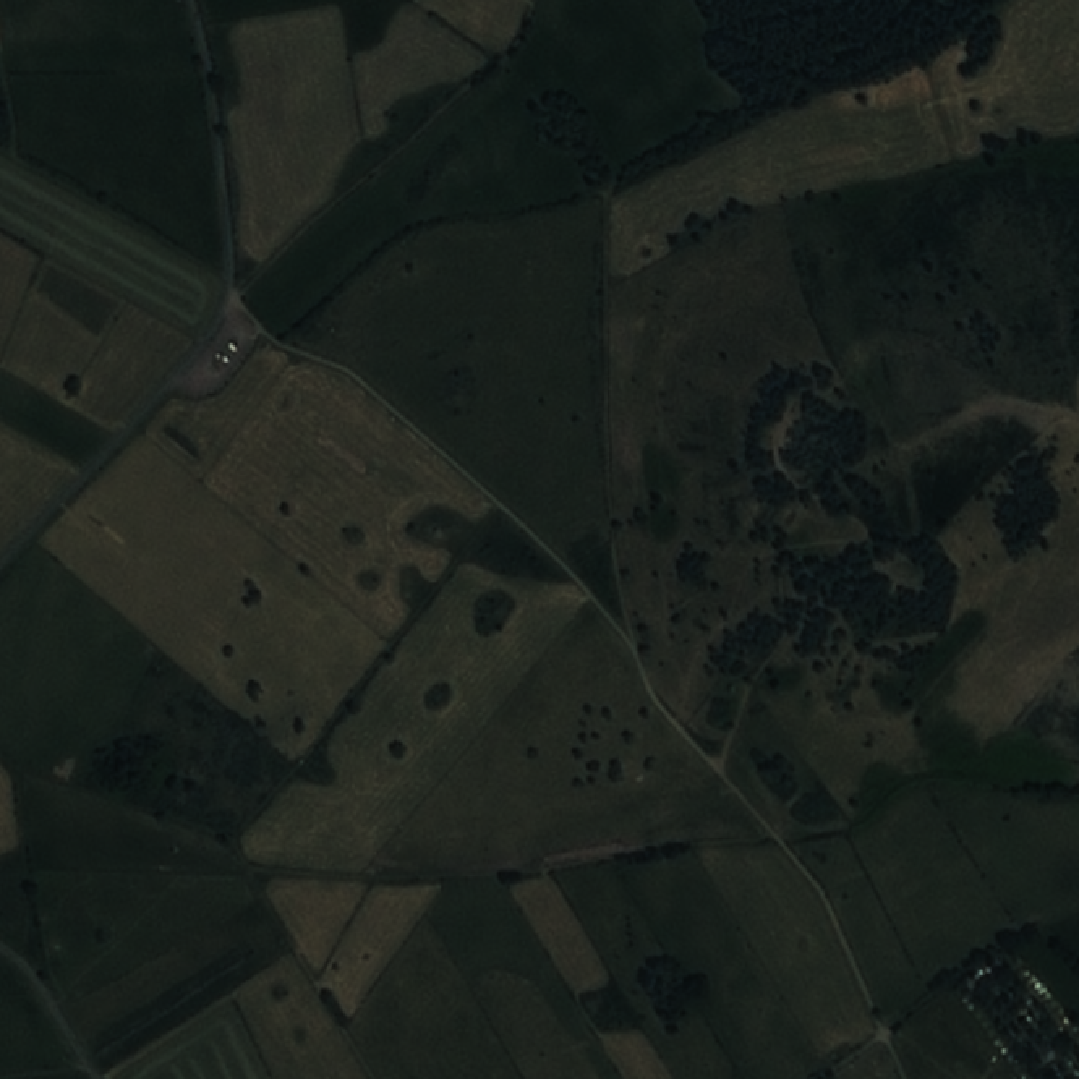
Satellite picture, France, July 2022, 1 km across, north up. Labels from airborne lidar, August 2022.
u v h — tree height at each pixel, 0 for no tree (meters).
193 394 0
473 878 0
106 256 0
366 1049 0
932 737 0
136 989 0
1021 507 18
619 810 0
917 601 15
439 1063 0
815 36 17
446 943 0
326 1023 0
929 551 11
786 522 0
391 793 0
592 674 0
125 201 0
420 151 0
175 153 0
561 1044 0
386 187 0
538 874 0
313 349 0
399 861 0
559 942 0
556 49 0
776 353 0
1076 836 0
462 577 0
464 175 0
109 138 0
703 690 0
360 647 0
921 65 13
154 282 0
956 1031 0
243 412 0
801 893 0
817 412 8
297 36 0
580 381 0
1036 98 0
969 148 0
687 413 0
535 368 0
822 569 14
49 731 0
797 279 0
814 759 0
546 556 0
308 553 0
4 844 0
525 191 0
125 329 0
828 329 0
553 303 0
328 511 0
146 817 0
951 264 0
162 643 0
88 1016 0
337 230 0
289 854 0
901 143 0
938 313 0
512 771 0
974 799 0
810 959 0
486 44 0
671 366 0
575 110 11
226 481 0
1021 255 0
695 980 14
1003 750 0
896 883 0
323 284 0
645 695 0
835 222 0
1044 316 0
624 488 0
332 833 0
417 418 0
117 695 0
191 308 0
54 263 0
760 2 17
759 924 0
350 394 0
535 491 0
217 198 0
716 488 0
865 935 0
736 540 0
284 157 0
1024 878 0
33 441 0
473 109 0
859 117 0
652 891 0
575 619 0
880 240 0
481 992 0
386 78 0
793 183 0
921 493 0
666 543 0
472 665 0
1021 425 0
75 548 0
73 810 0
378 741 0
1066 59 0
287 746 0
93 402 0
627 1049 0
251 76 0
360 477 0
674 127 0
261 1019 0
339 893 0
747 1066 0
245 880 0
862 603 12
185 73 0
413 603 0
